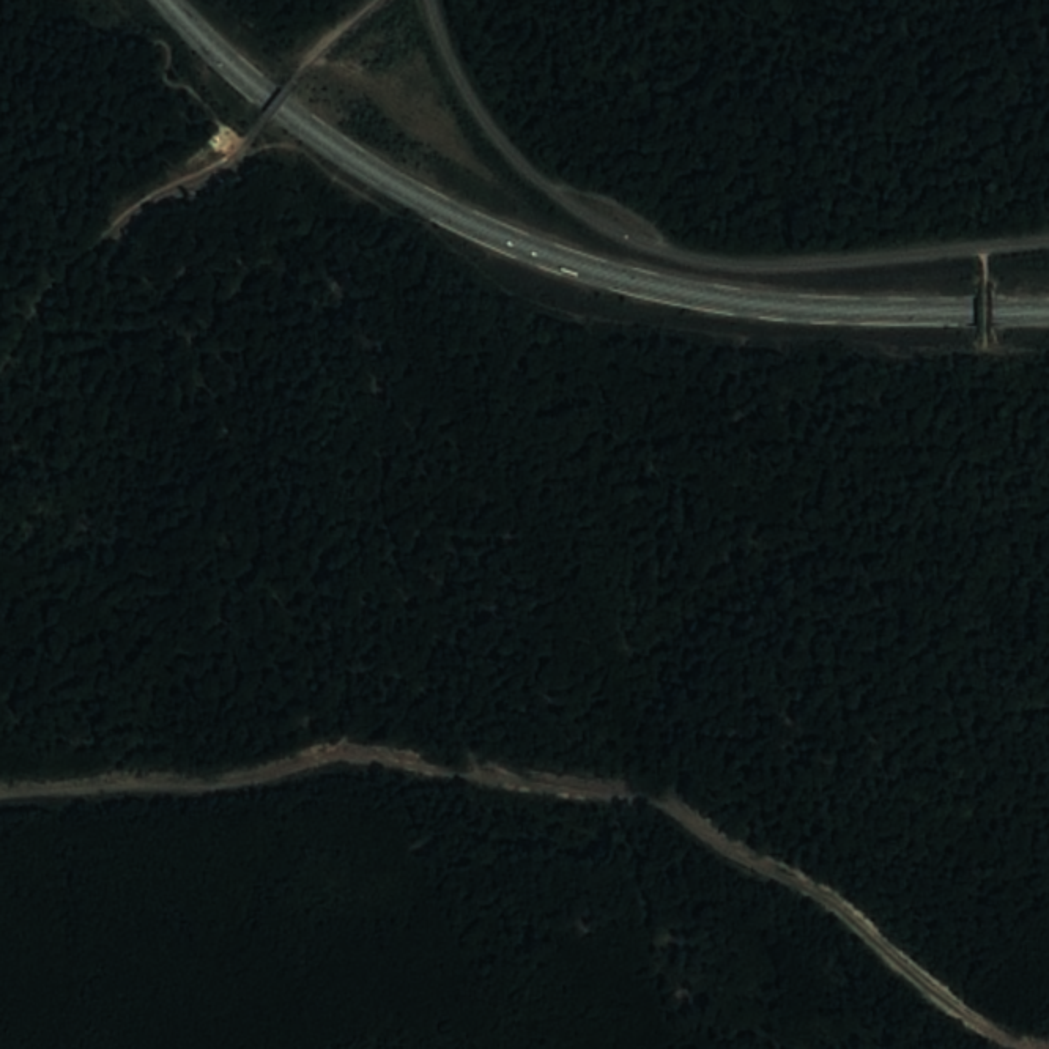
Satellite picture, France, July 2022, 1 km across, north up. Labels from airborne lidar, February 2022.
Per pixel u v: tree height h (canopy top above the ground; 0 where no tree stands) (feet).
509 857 93
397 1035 36
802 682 46
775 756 82
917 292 0
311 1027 41
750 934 20
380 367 70
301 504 92
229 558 88
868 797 75
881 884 82
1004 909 86
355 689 92
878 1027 79
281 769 0
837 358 21
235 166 0
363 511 80
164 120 84
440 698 62
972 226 62
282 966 40
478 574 94
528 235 0
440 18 0
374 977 46
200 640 92
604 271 0
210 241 76
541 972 67
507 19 62
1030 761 89
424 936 45
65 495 89
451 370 40
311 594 89
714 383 92
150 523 43
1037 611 94
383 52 20
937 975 71
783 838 53
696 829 0
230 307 72
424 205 0
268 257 85
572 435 95
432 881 80
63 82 98
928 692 87
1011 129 95
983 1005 48
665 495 90
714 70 78
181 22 0
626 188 78
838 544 56
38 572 33
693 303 0
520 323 80
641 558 81
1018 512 67
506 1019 35
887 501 88
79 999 47
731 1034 67
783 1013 64
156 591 95
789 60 23
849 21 74
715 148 75
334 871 49
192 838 48
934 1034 87
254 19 54
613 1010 45
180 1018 46
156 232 76
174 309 87
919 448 37
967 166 78
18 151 80
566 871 80
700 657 71
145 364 80
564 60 56
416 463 79
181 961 50
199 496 94
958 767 77
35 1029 40
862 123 76
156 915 56
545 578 27
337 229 56
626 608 76
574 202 0
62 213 69
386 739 81
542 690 90
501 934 47
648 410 25
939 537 67
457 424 50
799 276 0
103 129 93
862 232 73
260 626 68
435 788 67
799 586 97
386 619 80
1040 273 0
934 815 75
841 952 88
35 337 56
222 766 75
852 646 81
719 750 87
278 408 82
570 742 79
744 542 95
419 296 74
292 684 88
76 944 52
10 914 60
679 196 40
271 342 71
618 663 50
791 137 24
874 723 74
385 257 29
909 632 89
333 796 75
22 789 0
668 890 82
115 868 52
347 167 0
